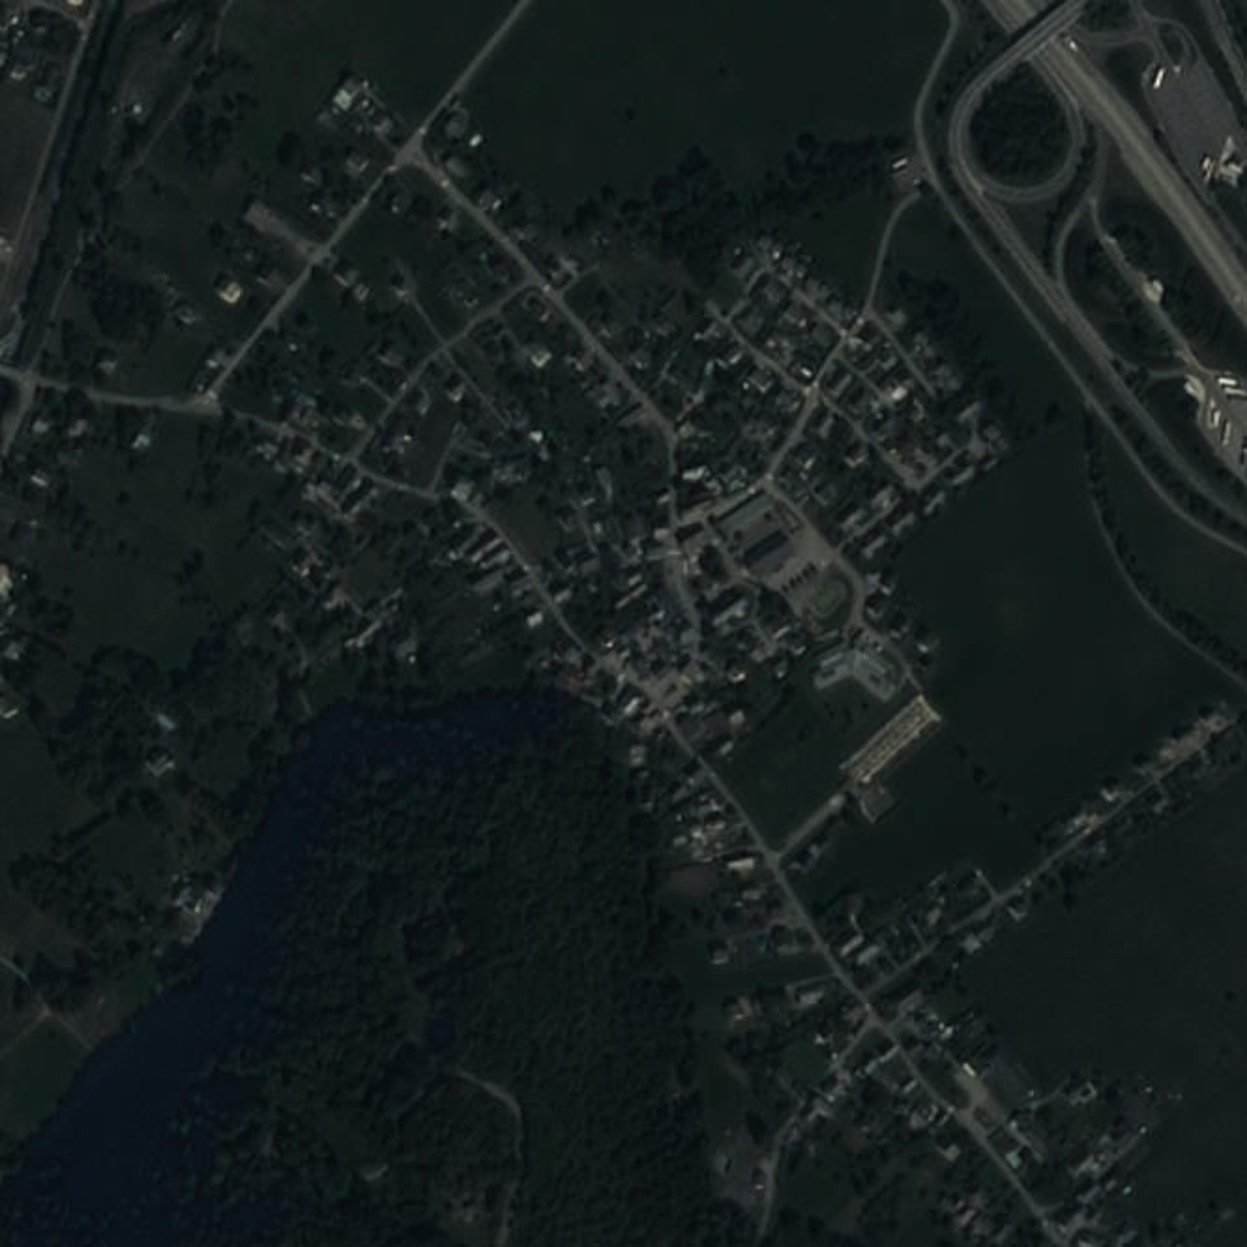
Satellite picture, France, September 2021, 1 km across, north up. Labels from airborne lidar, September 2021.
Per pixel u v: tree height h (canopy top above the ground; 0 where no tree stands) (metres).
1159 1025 0
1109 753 0
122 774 20
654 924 17
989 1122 0
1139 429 8
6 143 0
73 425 0
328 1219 23
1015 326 0
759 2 0
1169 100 0
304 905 19
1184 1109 0
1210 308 0
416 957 9
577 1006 14
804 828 0
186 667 0
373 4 0
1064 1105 0
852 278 0
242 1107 10
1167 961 0
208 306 0
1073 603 0
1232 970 0
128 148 7
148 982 0
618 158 0
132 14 8
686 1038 6
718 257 12
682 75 0
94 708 18
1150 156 0
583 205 0
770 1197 0
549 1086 12
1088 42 0
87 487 0
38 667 11
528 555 0
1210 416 0
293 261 0
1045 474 0
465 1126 15
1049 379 0
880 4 0
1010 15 0
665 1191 28
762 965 0
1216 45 0
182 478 0
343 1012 19
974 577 0
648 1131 15
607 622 9
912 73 0
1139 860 0
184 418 0
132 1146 22
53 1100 0
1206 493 0
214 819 18
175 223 0
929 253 0
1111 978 0
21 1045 0
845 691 0
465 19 0
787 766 0
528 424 6
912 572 0
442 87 0
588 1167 14
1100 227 0
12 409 7
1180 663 0
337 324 0
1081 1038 0
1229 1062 0
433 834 19
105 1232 22
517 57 0
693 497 11
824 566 0
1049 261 9
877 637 0
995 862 0
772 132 0
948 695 0
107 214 6
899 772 0
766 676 0
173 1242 20
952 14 0
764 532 0
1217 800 0
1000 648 0
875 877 0
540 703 17
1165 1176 0
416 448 0
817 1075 0
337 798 14
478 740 14
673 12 0
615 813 14
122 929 18
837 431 6
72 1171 24
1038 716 0
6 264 0
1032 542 0
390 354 0
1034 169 16
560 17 0
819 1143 9
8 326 5
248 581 0
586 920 21
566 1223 17
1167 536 0
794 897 0
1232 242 6
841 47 0
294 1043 19
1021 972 0
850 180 18
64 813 0
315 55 0
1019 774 0
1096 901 0
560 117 0
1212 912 0
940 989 7
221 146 14
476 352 0
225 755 0
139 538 0
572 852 14
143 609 0
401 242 0
